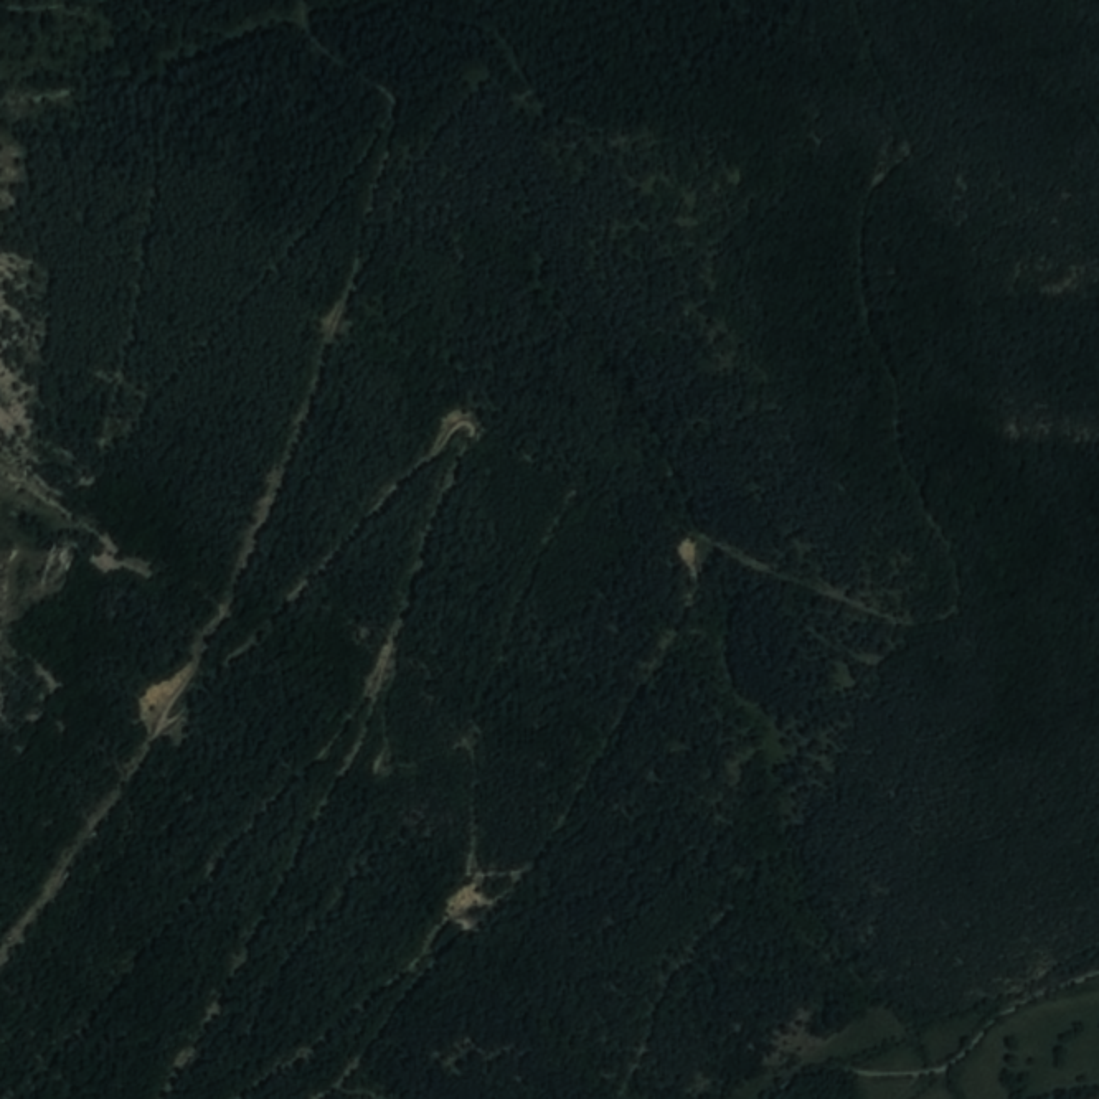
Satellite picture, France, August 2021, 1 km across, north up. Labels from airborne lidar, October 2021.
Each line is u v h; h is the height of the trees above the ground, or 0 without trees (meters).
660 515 21
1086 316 17
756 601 19
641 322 10
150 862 23
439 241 16
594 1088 9
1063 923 9
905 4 16
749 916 13
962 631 13
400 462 22
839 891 14
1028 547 19
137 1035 18
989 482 23
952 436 19
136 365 24
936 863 9
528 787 14
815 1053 0
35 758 14
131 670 22
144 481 12
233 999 14
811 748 9
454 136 15
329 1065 20
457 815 11
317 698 19
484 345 18
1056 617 14
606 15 14
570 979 19
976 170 12
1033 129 14
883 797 9
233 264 26
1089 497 18
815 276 21
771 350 12
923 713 13
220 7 20
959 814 11
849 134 13
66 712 10
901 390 8
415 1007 20
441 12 20
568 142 11
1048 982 8
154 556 12
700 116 17
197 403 26
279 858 14
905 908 9
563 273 16
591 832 24
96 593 19
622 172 11
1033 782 13
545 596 10
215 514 19
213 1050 11
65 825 14
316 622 8
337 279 14
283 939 16
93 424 12
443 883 17
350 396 25
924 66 14
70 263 26
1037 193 10
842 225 17
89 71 16
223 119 22
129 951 18
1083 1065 0
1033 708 12
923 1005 9
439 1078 23
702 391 14
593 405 28
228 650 9
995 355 14
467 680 19
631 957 24
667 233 7
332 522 21
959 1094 8
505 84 12
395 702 11
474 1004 18
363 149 13
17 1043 7
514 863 11
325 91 26
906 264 17
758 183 10
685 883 25
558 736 16
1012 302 12
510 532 12
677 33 18
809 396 14
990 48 15
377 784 10
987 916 11
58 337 23
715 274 7
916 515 15
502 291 18
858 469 23
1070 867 14
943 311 16
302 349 26
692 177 11
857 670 15
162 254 23
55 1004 10
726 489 16
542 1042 21
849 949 9
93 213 27
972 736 12
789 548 14
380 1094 10
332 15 17
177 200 23
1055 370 17
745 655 20
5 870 14
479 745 8
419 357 12
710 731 18
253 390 24
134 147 24
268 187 9
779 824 15
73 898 7
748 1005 19
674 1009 14
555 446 21
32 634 15
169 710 0
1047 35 15
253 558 15
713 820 9
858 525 14
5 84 10
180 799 22
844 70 13
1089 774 12
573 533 11
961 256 11
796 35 15
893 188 13
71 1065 15
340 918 16
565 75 19
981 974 8
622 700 20
